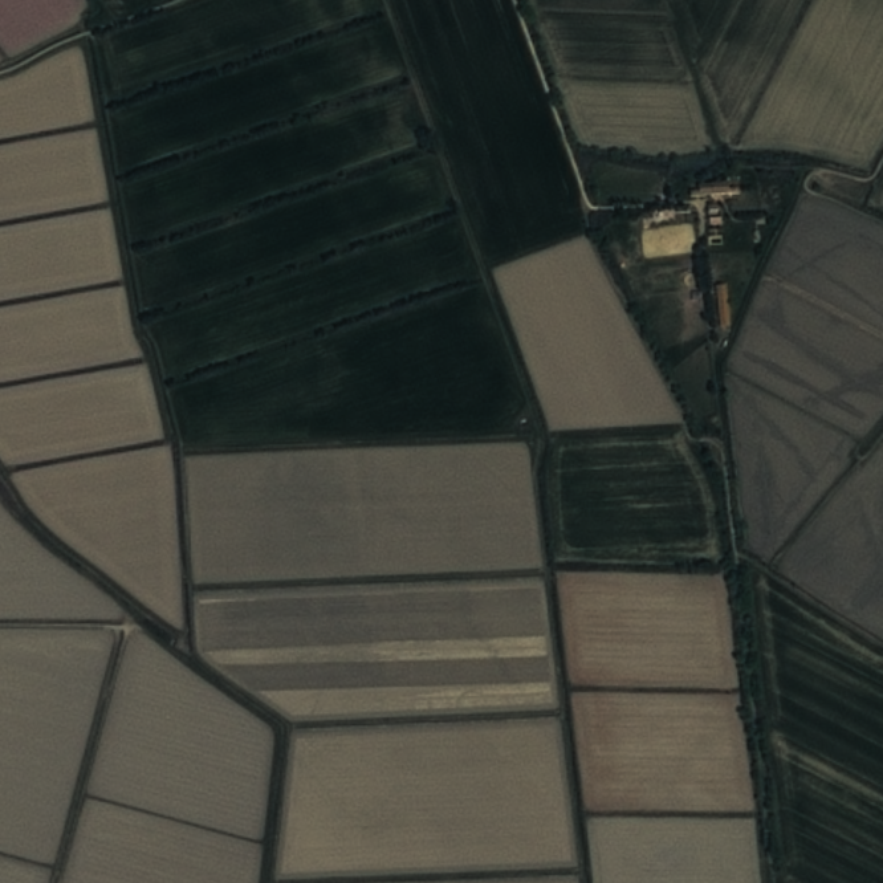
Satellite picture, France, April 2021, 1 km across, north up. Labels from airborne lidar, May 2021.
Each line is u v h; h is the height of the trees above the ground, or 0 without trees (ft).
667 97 0
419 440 0
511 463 0
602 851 0
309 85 0
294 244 0
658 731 0
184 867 0
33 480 0
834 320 0
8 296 0
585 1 0
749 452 0
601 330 0
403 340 0
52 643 0
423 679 0
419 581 0
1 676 0
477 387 0
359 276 0
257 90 0
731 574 25
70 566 0
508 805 0
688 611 0
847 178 0
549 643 0
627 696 0
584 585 0
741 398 0
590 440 0
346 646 0
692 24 0
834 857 0
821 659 0
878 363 0
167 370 0
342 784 0
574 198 0
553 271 0
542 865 0
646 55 0
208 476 0
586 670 0
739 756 0
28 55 0
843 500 0
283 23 0
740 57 0
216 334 0
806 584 0
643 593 0
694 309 0
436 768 0
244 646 0
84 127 0
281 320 0
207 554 0
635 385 0
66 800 0
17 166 0
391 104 0
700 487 0
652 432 0
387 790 0
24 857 0
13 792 0
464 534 0
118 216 0
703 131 0
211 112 0
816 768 0
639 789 0
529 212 0
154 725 0
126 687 0
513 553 0
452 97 0
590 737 0
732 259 0
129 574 0
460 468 0
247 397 0
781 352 0
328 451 0
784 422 0
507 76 0
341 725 0
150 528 0
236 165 0
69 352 0
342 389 0
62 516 0
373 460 0
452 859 0
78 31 0
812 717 0
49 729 0
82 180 0
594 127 0
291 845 0
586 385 0
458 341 0
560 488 0
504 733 0
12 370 0
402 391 0
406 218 0
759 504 0
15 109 0
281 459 0
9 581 0
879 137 0
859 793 0
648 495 0
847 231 0
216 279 0
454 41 0
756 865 0
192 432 0
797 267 0
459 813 0
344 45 0
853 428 0
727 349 0
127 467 0
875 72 0
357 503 0
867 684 0
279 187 0
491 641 0
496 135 0
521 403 0
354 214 0
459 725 0
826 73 0
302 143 0
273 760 0
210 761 0
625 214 41
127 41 0
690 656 0
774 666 0
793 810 0
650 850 0
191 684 0
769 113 0
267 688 0
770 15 0
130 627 0
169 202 0
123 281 0
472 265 0
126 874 0
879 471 0
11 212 0
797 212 0
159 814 0
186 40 0
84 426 0
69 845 0
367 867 0
